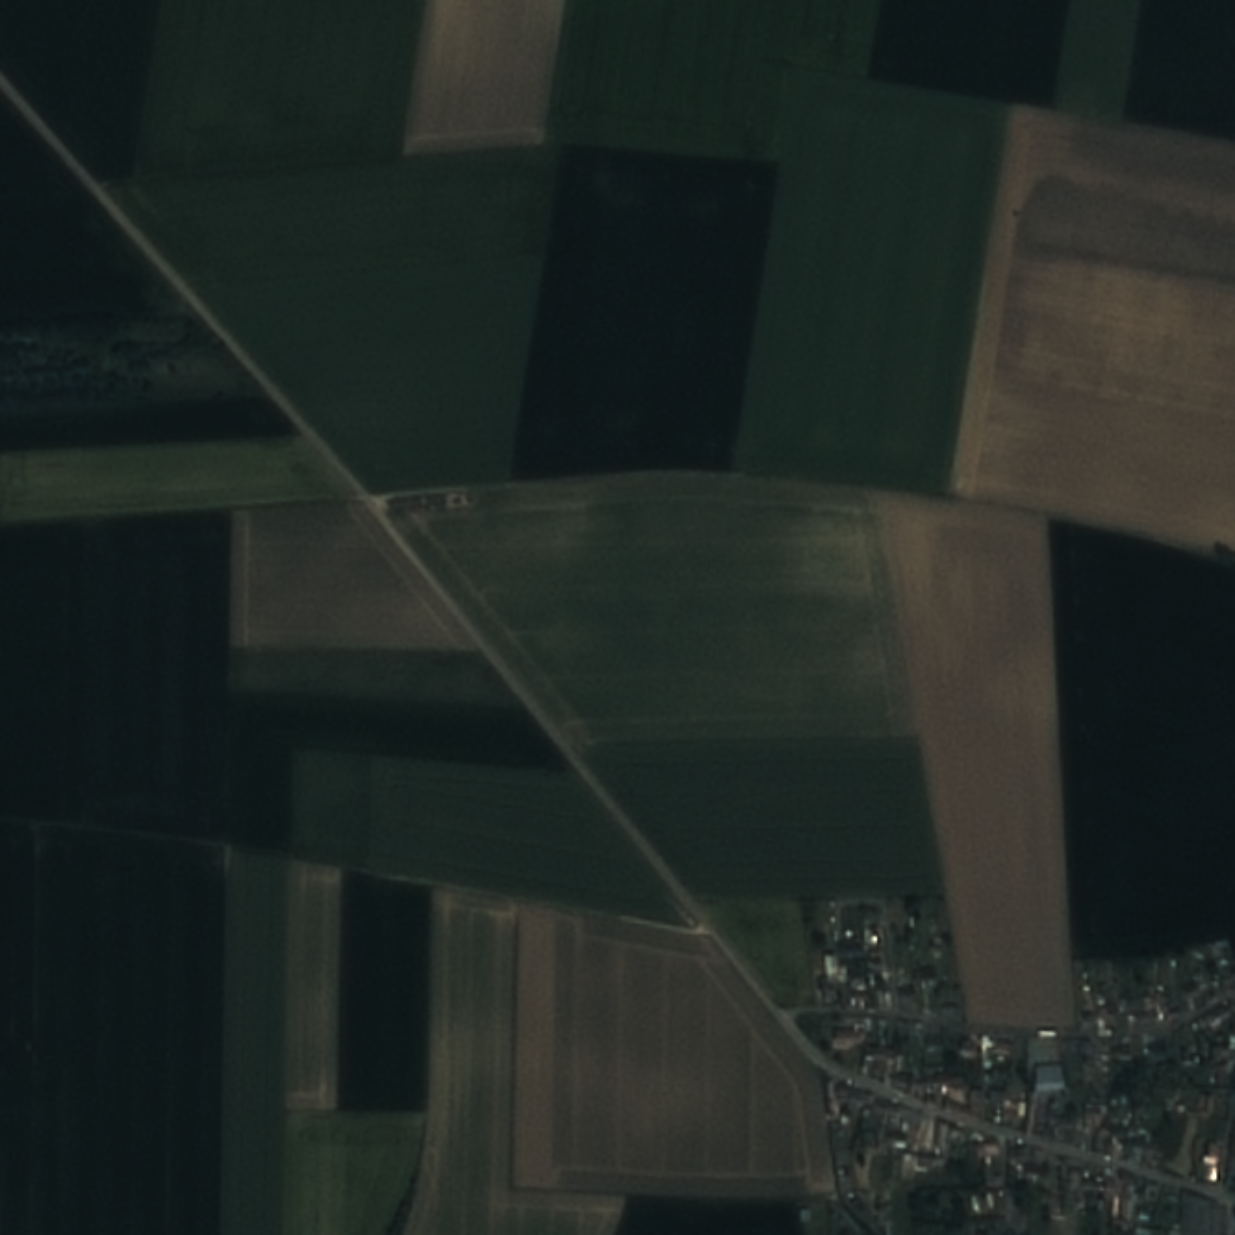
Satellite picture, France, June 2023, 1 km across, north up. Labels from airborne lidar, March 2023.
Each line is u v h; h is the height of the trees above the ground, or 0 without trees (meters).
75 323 13
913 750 0
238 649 0
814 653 0
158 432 0
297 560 0
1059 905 0
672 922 0
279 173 0
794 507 0
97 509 0
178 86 0
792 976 0
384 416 0
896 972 0
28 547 0
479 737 0
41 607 0
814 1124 0
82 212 0
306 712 0
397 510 0
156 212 0
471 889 0
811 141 0
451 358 0
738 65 0
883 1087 0
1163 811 0
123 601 0
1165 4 0
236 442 0
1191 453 0
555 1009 0
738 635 0
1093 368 0
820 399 0
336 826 0
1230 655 0
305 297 0
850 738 0
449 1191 0
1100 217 0
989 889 0
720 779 0
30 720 0
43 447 0
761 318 0
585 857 0
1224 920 0
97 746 0
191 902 0
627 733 0
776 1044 0
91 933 0
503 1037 0
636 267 0
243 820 0
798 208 0
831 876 0
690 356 0
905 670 0
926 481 0
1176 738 0
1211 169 0
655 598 0
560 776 0
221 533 0
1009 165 0
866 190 0
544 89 0
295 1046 0
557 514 0
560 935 0
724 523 0
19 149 0
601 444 0
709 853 0
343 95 0
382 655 0
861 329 0
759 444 0
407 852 0
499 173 0
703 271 0
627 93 0
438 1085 0
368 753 0
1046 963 0
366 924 0
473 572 0
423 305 0
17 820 0
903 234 0
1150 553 0
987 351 0
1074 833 0
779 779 0
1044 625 0
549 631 0
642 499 0
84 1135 0
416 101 0
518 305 0
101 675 0
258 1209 0
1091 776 0
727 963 0
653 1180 0
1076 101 0
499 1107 0
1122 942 0
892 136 0
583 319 0
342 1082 0
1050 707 0
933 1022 0
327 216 0
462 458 0
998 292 0
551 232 0
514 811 0
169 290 0
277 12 0
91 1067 0
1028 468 0
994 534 0
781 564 0
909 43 0
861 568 0
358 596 0
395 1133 0
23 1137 0
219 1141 0
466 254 0
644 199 0
